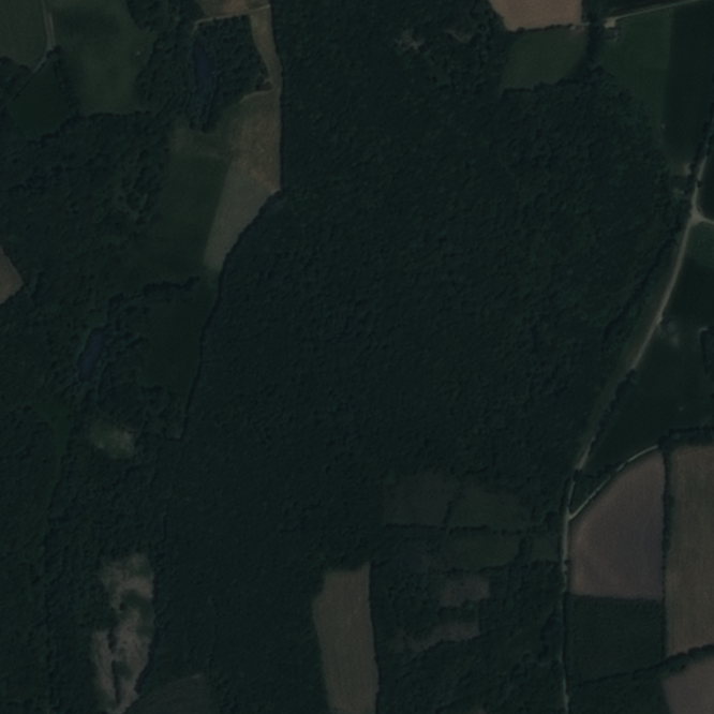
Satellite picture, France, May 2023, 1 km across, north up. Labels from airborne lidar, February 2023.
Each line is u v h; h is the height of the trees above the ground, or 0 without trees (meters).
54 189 22
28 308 14
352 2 15
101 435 0
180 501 14
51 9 0
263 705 15
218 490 12
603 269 17
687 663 12
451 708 10
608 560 0
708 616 0
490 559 0
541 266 7
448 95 14
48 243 21
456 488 0
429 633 6
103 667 0
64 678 19
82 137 22
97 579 8
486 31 14
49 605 13
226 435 12
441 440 14
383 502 10
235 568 12
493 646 16
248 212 0
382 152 15
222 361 12
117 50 0
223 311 13
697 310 0
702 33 0
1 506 18
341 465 13
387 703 13
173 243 0
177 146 0
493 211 13
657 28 0
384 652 13
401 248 13
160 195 11
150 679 18
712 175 0
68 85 14
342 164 16
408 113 14
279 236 16
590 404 12
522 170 17
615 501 0
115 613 6
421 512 0
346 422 14
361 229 15
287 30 14
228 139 0
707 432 14
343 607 0
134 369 17
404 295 15
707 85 0
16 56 0
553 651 17
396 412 13
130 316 17
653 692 0
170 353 0
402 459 15
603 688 11
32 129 0
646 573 0
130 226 14
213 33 14
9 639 20
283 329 13
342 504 10
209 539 15
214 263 0
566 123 14
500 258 16
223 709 9
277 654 14
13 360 14
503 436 17
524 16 0
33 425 16
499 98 9
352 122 14
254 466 12
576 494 6
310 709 15
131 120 8
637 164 16
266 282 18
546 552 0
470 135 12
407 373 13
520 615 16
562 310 17
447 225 13
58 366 22
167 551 15
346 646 0
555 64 0
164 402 14
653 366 0
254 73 12
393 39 14
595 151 17
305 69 12
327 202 14
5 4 0
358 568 12
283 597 16
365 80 11
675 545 0
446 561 0
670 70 0
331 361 15
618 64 0
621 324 16
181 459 14
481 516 0
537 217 16
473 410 13
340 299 12
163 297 8
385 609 12
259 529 11
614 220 15
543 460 17
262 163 0
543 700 9
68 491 12
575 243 13
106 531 7
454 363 13
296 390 15
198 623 16
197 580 15
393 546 13
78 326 9
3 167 22
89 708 12
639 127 18
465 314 10
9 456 13
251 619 13
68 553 17
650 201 16
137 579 0
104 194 10
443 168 15
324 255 18
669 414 0
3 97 19
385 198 9
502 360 16
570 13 0
